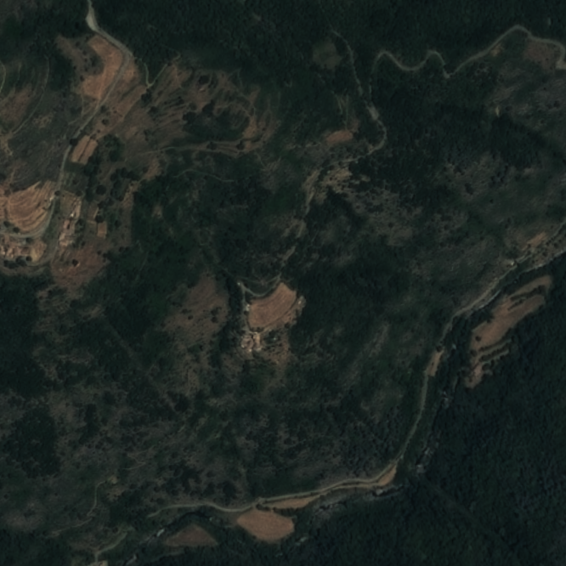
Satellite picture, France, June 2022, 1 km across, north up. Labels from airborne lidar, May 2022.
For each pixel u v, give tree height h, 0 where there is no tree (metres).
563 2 18
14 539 10
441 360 7
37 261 0
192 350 7
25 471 10
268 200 7
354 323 8
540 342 11
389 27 14
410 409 9
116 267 9
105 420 11
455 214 11
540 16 17
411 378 9
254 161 0
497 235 6
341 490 6
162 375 8
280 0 13
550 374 12
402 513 6
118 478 9
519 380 9
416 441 9
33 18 14
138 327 14
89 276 0
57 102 0
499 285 6
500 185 8
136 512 9
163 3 9
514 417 7
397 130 8
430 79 9
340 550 16
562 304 10
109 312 11
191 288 9
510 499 14
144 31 7
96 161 7
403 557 21
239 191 8
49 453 10
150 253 8
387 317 6
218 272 6
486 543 13
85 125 0
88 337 9
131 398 9
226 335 15
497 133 10
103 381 7
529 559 7
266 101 0
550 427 10
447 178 9
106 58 0
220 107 0
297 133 8
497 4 13
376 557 12
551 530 9
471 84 8
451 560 16
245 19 6
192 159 0
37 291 12
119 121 0
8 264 16
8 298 12
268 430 7
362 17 10
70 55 0
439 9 12
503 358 16
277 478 11
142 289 10
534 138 17
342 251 10
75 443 7
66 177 0
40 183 0
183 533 0
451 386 8
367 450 21
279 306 0
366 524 14
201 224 7
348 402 14
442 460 6
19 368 11
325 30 9
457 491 16
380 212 10
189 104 0
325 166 9
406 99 9
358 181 16
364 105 7
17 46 10
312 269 9
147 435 8
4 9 0
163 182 10
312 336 9
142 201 14
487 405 10
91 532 10
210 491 9
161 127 0
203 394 8
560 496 10
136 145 0
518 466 12
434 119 9
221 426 7
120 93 0
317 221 12
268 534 0
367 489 8
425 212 8
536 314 10
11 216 0
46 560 8
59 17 10
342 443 8
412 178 12
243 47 11
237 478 6
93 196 10
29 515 6
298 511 12
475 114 16
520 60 0
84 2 10
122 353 7
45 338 9
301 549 10
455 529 14
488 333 0
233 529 16
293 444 7
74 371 7
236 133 0
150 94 7
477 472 19
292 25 10
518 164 14
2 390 9
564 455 10
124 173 13
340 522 9
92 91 0
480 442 12
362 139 9
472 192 14
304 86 0
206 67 0
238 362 0
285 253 7
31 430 8
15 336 9
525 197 0
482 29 13
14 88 0
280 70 8
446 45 9
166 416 8
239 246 11
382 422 7
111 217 7
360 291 8
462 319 14
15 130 0
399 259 9
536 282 0
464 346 15
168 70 0
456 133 12
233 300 14
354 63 6
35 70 0
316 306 9
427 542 17
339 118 6
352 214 11
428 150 9
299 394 7
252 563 9
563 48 0
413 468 9
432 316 10
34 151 0
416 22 15
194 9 10
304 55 9
